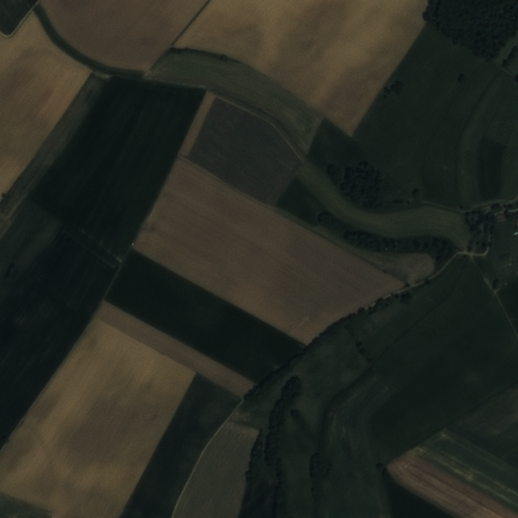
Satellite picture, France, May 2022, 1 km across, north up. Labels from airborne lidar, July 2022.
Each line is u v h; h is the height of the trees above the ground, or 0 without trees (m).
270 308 0
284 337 0
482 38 8
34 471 0
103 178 0
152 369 0
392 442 0
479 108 0
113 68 0
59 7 0
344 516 0
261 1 0
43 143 0
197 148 0
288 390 19
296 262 0
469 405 0
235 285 0
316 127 0
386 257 0
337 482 0
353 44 0
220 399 0
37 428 0
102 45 0
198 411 0
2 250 0
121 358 0
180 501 0
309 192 0
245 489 0
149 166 0
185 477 0
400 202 8
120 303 0
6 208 0
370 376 0
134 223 0
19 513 0
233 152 0
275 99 0
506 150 0
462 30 19
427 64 0
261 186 0
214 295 0
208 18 0
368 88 0
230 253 0
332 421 0
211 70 0
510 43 0
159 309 0
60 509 0
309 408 0
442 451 0
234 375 0
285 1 0
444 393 0
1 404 0
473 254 0
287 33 0
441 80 0
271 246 0
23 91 0
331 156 0
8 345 0
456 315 0
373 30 0
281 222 0
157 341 0
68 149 0
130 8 0
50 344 0
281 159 0
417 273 0
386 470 8
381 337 0
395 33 0
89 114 0
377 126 0
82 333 0
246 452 0
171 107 0
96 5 0
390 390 0
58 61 0
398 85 16
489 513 0
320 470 11
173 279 0
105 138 0
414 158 0
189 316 0
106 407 0
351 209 0
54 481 0
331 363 0
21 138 0
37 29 0
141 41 0
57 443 0
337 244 0
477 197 0
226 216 0
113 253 0
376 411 0
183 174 0
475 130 0
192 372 0
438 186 0
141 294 0
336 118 0
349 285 0
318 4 0
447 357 0
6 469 0
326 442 0
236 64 0
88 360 0
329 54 0
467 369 0
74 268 0
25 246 0
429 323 0
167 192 0
